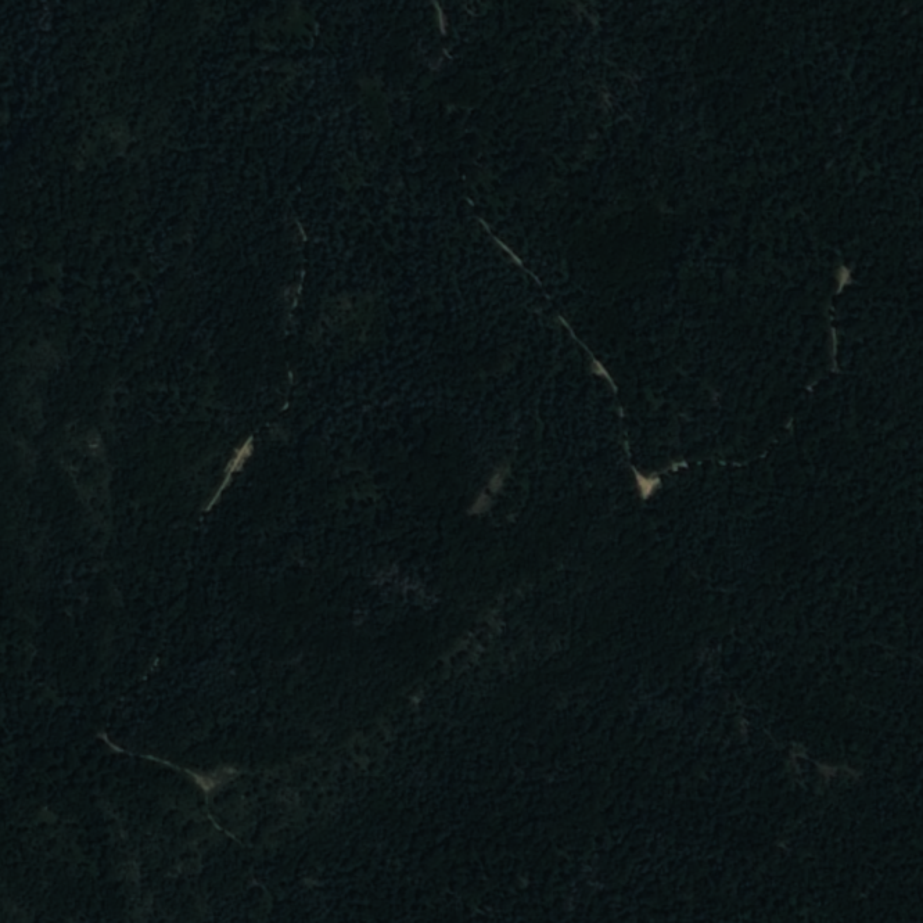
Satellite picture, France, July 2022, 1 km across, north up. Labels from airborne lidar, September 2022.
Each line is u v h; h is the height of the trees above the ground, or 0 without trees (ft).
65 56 56
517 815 37
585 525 19
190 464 29
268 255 48
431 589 66
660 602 41
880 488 28
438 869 65
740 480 30
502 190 78
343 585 47
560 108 57
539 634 30
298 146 91
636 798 72
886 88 85
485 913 82
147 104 32
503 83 82
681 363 53
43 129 76
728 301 60
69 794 60
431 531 66
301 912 48
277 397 55
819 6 73
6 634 37
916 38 51
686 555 37
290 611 70
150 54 41
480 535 40
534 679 55
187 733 71
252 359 63
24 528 30
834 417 68
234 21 24
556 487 34
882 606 55
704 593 39
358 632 41
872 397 63
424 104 85
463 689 33
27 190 55
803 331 18
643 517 77
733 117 66
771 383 73
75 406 46
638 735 72
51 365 25
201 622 89
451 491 66
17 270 101
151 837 20
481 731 47
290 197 79
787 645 61
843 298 47
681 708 77
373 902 44
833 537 73
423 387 80
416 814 74
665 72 76
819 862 27
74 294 76
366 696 26
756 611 72
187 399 65
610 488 66
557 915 45
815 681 39
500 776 55
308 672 23
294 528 74
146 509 55
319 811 45
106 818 22
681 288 90
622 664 61
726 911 53
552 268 73
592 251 38
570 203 38
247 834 20
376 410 51
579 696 40
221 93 99
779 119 85
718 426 52
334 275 96
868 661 39
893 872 41
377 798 63
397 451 96
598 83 41
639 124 54
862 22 22
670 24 59
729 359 51
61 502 44
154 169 51
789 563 54
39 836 37
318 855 46
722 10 59
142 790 30
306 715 36
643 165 42
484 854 65
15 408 27
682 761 65
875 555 49
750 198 45
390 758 21
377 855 55
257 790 35
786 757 58
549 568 52
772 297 41
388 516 46
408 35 67
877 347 56
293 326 54
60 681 42
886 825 39
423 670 47
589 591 28
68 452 22
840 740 44
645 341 44
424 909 58
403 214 24
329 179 88
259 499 54
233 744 50
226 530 71
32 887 27
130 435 53
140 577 51
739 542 40
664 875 62
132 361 47
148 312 61
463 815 59
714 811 49
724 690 93
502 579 54
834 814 37
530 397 61
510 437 79
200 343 62
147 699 60
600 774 54
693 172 76
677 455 57
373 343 21
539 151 63
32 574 33
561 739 47
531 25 46
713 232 35
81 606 77
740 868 81
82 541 20
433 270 52
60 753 73
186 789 37
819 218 57
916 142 58
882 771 53
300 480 70
